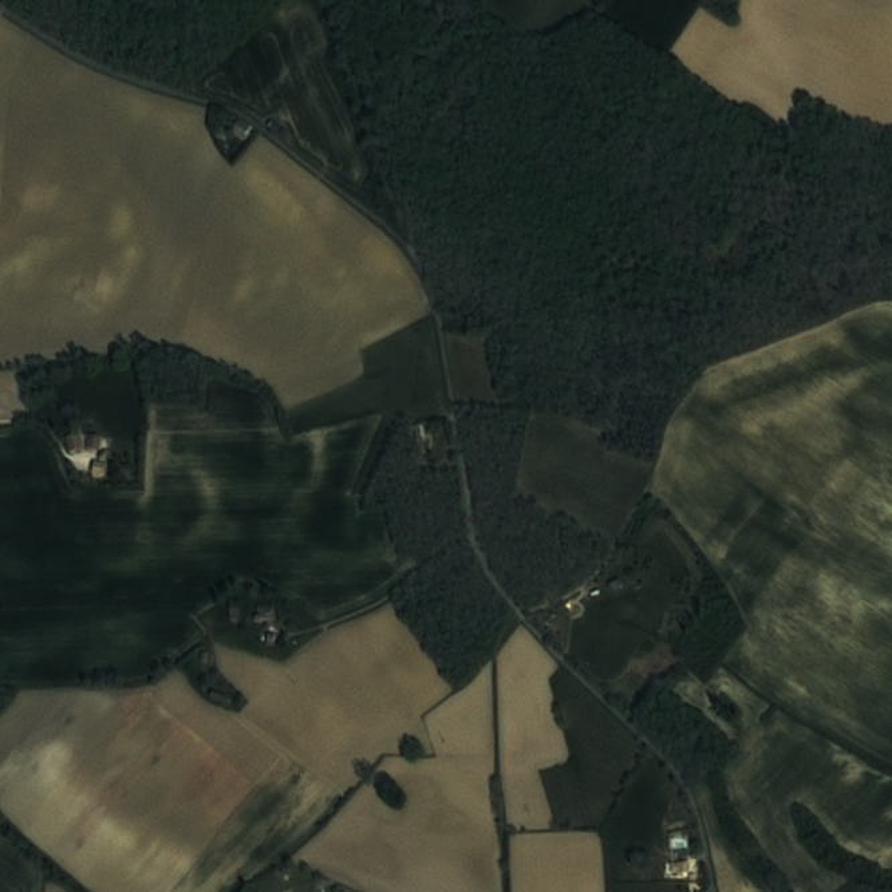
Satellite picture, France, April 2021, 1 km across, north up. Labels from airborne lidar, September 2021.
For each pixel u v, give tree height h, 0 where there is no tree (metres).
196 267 0
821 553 0
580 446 0
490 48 22
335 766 0
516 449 19
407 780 0
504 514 17
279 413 11
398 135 20
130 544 0
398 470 20
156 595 0
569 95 18
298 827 0
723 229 20
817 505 0
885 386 0
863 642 0
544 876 0
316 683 0
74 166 0
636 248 15
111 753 0
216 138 13
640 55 21
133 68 19
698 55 0
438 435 11
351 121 15
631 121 21
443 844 0
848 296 19
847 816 0
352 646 0
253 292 0
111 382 0
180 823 0
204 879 0
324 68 22
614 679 0
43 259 0
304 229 0
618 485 0
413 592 14
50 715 0
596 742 0
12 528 0
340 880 0
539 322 20
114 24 23
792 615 0
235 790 0
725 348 16
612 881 0
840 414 0
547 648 10
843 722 0
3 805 0
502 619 17
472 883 0
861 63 0
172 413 0
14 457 0
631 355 17
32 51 0
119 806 0
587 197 17
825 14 0
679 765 17
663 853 0
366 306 0
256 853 0
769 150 15
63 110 0
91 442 0
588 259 16
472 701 0
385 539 0
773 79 0
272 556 0
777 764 0
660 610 0
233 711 0
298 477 0
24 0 18
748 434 0
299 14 24
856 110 0
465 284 17
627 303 9
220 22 23
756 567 0
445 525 14
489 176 22
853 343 0
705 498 0
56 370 18
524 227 19
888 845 0
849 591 0
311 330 0
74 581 0
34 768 0
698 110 18
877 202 16
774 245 19
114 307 0
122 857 0
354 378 0
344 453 0
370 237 0
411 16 32
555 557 17
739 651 0
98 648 0
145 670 0
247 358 0
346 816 0
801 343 0
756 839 8
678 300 13
